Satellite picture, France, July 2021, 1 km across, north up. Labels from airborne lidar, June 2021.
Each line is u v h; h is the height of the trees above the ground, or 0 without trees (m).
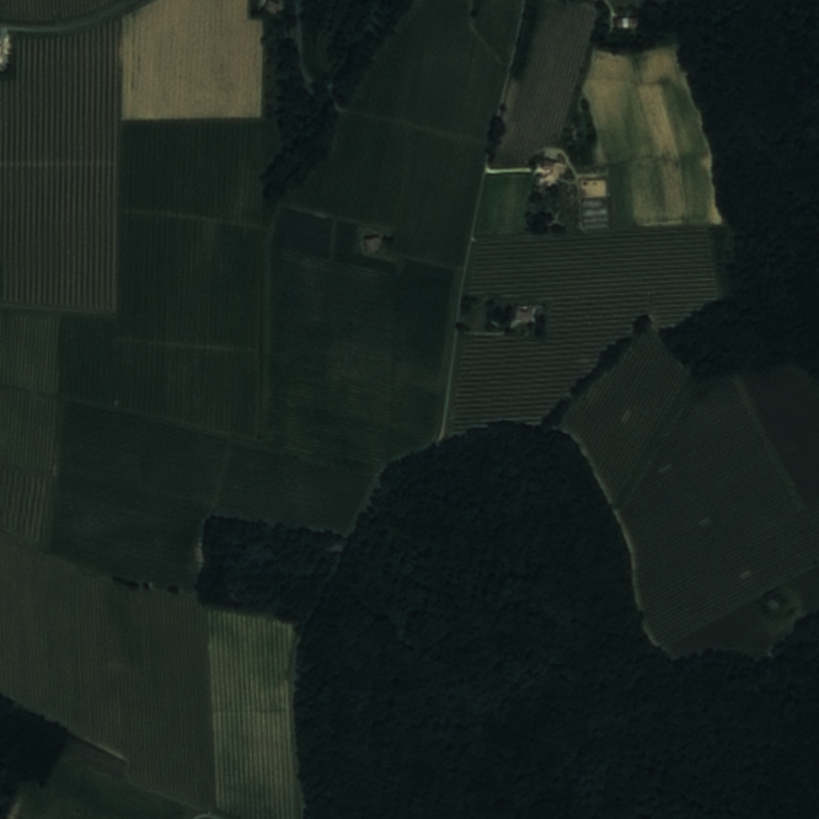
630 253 0
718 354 26
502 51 0
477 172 0
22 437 0
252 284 0
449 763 25
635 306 0
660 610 0
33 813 0
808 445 0
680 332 19
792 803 13
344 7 9
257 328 0
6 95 0
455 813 20
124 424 0
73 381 0
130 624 0
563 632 15
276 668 0
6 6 0
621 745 27
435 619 22
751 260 17
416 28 0
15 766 17
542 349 0
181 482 0
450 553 21
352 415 0
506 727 24
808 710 15
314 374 0
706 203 0
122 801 0
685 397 0
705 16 19
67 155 0
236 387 0
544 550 18
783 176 24
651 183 0
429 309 0
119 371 0
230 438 0
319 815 17
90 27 0
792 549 0
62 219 0
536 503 23
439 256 0
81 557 0
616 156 0
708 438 0
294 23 15
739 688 29
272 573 17
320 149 28
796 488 0
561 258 0
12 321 0
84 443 0
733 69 27
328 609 21
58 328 0
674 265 0
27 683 0
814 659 24
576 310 0
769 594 6
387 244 10
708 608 0
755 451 0
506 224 0
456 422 0
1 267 0
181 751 0
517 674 23
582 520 22
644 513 0
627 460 0
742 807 18
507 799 24
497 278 0
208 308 0
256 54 0
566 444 20
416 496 22
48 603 0
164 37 0
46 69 0
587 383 15
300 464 0
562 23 0
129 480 0
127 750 0
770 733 23
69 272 0
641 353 0
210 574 17
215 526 19
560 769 27
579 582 17
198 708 0
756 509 0
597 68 0
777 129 26
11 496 0
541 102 0
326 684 24
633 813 22
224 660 0
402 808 15
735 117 25
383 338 0
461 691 27
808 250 19
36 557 0
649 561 0
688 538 0
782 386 0
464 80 0
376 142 0
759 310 17
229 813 0
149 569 0
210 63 0
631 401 0
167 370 0
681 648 0
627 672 21
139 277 0
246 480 0
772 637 0
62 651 0
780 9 11
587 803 26
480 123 0
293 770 0
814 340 23
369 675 21
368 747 19
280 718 0
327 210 0
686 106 0
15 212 0
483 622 20
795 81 26
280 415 0
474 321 0
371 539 12
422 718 23
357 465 0
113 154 0
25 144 0
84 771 0
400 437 0
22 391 0
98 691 0
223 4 0
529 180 0
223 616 0
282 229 0
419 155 0
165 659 0
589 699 20
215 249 0
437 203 0
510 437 20
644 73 0
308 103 25
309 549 8
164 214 0
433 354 0
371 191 0
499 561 21
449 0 0
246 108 0
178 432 0
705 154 0
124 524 0
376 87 0
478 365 0
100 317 0
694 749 25
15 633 0
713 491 0
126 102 0
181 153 0
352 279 0
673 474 0
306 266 0
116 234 0
